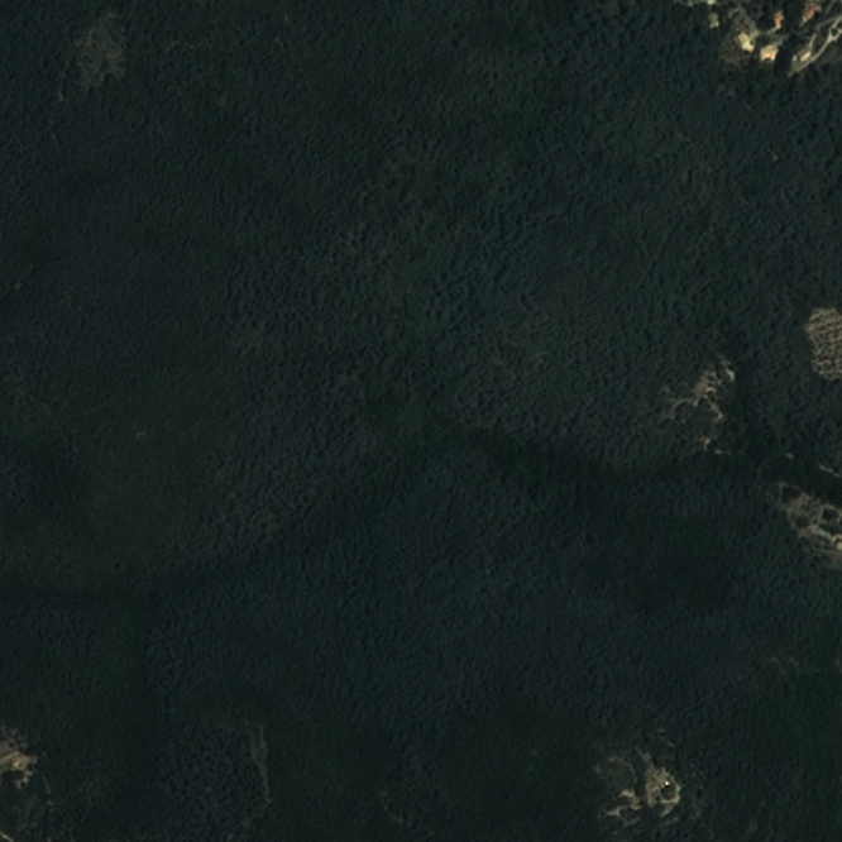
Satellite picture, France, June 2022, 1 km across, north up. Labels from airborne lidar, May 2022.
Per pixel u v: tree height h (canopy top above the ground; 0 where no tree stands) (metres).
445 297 16
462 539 14
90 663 15
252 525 16
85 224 17
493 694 13
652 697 15
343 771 8
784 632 13
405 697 16
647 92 13
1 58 18
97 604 17
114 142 14
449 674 16
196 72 15
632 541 16
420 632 18
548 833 12
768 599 13
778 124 19
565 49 18
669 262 15
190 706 9
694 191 13
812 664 8
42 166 15
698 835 10
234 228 10
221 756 15
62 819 14
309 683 15
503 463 17
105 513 6
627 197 15
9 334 17
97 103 16
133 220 12
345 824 10
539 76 15
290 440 20
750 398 14
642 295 18
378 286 19
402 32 19
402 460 12
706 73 18
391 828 13
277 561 18
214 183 15
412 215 20
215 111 18
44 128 16
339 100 11
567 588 16
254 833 11
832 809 11
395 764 11
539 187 13
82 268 16
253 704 9
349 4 16
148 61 14
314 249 17
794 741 12
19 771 7
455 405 14
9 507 9
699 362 22
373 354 20
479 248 11
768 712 10
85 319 17
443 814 10
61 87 14
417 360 16
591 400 19
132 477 7
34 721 6
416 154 18
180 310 15
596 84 16
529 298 17
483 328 19
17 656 11
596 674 21
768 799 10
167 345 14
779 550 18
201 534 17
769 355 19
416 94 16
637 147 6
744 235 9
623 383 20
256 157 10
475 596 20
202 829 18
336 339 20
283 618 18
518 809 8
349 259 13
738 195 9
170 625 10
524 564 14
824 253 19
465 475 17
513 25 6
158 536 9
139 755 19
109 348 16
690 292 23
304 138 7
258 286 16
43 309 15
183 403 8
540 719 7
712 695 17
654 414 7
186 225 13
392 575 21
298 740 8
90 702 10
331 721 12
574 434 22
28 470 16
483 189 13
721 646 20
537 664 16
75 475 11
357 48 16
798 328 20
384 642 16
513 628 17
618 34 23
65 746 7
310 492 16
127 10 15
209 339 14
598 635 18
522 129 11
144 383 15
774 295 20
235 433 8
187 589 15
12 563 10
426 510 20
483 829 12
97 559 9
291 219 11
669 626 14
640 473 16
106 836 12
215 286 14
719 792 10
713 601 15
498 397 13
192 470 8
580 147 17
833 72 19
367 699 16
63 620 14
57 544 10
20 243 15
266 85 9
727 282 16
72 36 13
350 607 24
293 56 13
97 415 7
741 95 13
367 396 12
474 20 20
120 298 17
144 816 13
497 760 6
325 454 19
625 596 13
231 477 7
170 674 8
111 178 15
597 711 15
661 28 20
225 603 16
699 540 15
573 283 20
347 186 19
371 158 11
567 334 17
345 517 15
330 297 9
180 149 14
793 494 16
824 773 9
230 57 7
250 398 7
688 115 16
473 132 19
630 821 7
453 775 6
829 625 9
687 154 10
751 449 10
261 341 20
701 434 18
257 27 14
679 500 17
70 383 8
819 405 18
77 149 14
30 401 12
